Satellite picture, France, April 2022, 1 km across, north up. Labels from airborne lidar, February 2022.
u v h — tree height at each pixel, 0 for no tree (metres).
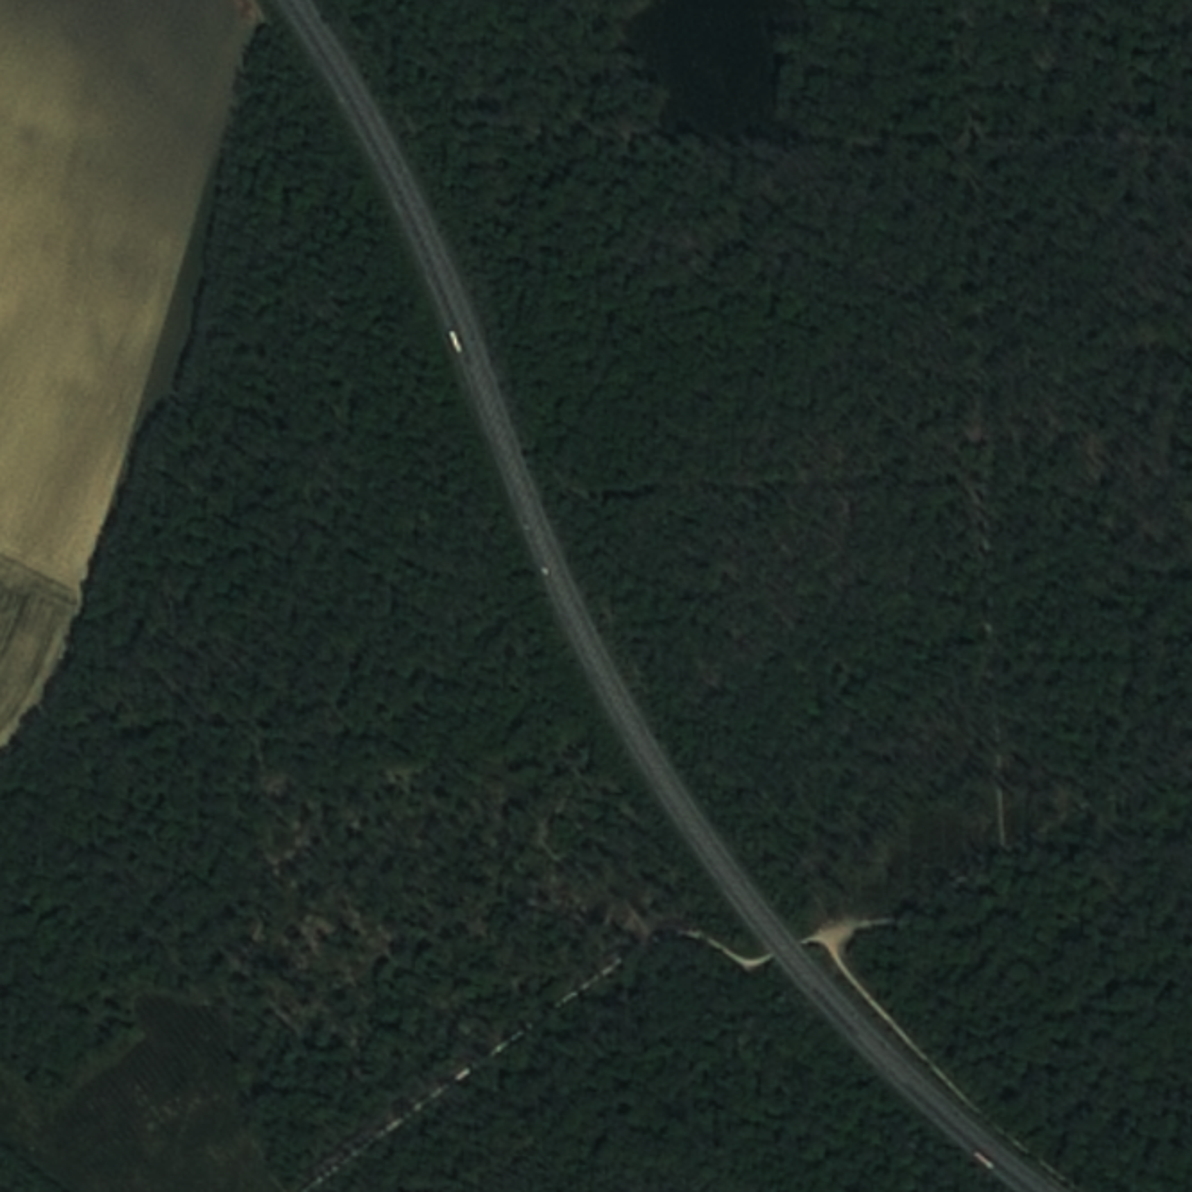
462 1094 24
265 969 23
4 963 25
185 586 25
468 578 25
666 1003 23
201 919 25
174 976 27
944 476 25
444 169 14
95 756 24
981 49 26
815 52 22
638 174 24
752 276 24
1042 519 24
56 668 0
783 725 24
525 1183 17
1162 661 26
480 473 17
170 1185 0
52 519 0
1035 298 25
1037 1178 0
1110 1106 27
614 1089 23
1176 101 28
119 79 0
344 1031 24
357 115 0
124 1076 0
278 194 20
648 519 23
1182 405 28
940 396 25
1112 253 26
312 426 24
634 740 0
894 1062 0
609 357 21
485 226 19
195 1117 0
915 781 26
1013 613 22
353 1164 19
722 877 0
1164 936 26
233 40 0
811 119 27
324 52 0
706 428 23
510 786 0
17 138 0
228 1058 0
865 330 24
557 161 24
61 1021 26
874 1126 27
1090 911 20
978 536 22
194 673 26
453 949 22
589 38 29
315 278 22
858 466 23
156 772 26
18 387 0
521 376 12
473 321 0
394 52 25
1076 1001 22
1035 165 27
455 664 25
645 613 21
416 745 24
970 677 26
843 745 25
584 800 24
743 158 23
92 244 0
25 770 23
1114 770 25
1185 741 28
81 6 0
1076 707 24
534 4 26
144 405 0
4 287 0
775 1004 13
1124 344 29
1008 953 26
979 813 28
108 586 24
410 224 0
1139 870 26
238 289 20
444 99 21
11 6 0
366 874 25
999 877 24
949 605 22
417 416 18
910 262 27
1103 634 24
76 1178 0
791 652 25
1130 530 27
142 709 21
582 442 20
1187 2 26
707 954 22
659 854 26
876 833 30
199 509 24
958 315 26
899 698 24
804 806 26
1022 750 26
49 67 0
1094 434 27
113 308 0
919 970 23
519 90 25
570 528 9
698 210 27
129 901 25
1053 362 27
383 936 0
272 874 14
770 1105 21
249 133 17
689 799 0
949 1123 0
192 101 0
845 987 6
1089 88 30
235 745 24
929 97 17
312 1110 21
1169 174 34
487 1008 24
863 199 27
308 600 25
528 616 16
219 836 23
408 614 24
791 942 0
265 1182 0
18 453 0
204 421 26
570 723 23
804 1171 21
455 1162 21
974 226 26
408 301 18
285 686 26
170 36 0
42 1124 0
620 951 23
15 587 0
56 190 0
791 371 24
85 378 0
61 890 22
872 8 26
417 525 23
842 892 26
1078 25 30
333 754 27
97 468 0
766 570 24
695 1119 25
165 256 0
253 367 23
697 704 23
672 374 21
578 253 23
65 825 27
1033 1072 11
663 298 13
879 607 24
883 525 24
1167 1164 23
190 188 0
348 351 22
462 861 6
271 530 27
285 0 0
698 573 23
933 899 7
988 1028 10
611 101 23
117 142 0
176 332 0
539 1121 23
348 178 22
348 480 24
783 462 24
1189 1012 22
